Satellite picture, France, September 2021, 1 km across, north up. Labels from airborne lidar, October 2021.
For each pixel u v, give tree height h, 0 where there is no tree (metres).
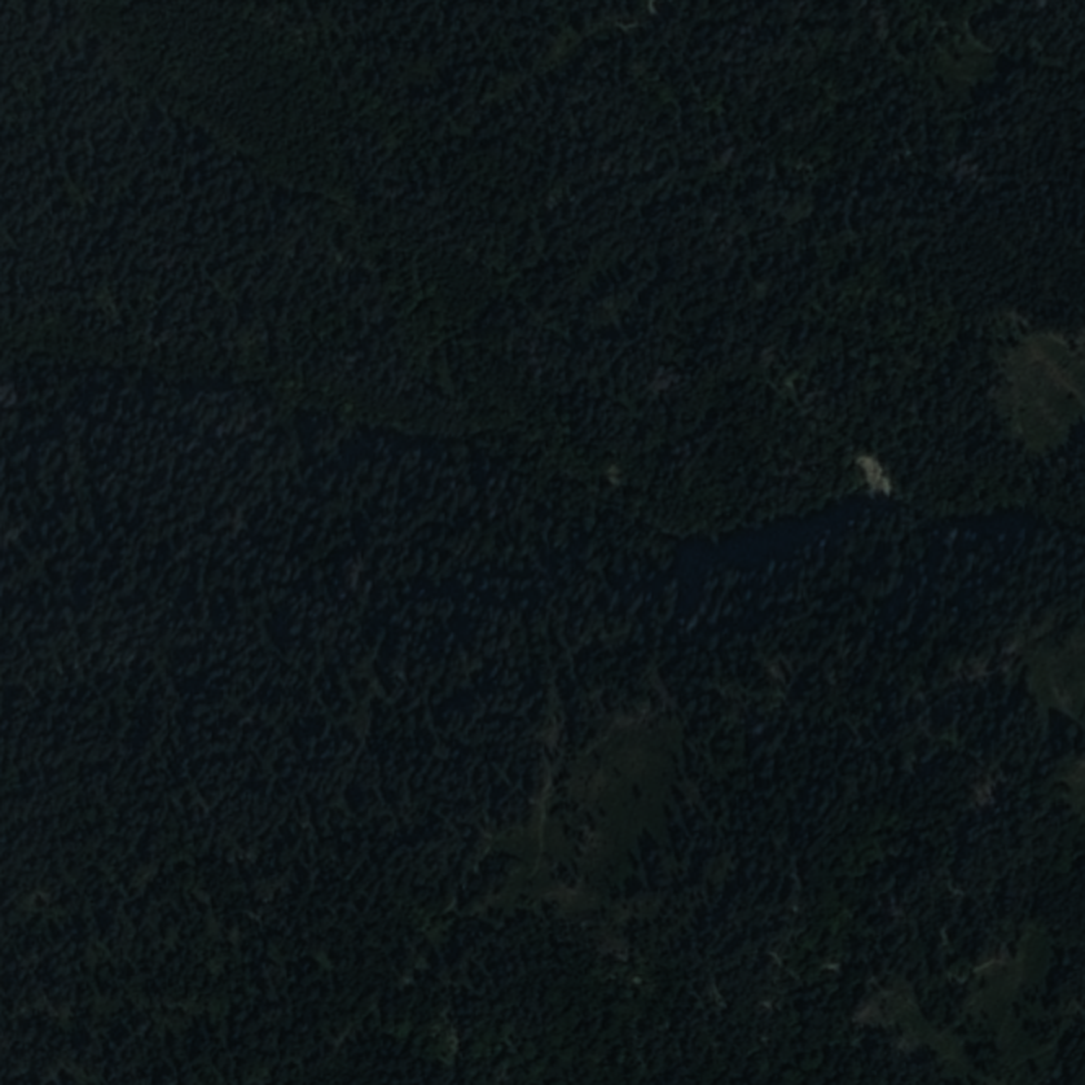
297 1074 20
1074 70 30
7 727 26
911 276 17
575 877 12
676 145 32
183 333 34
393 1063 17
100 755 34
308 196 10
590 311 28
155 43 6
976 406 34
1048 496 33
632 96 29
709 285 29
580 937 10
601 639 15
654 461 9
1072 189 30
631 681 17
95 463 11
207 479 36
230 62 16
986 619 32
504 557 15
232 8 18
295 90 15
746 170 29
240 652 26
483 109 30
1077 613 15
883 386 42
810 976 23
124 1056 29
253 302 37
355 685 34
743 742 11
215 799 35
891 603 11
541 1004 32
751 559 14
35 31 24
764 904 16
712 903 16
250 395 13
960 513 28
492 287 15
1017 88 35
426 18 28
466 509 32
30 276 25
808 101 15
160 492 35
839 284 16
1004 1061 28
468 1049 20
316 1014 26
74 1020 8
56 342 9
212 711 35
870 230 36
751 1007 30
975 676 20
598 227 33
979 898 30
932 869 33
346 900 22
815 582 23
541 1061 22
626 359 30
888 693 7
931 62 17
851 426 28
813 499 24
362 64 13
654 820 0
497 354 8
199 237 25
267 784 34
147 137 13
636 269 22
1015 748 33
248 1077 14
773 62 32
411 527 33
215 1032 10
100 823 31
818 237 18
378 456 30
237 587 27
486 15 30
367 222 9
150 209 27
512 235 19
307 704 38
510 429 6
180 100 14
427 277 15
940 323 19
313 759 17
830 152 10
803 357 28
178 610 13
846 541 28
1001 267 27
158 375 6
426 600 20
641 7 13
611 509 9
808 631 29
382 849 22
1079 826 23
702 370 16
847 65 19
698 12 34
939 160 32
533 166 21
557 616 26
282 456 32
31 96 10
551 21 29
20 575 29
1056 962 8
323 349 34
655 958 8
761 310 21
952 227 26
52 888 31
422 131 7
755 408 26
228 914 14
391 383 27
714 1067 26
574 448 14
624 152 28
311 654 32
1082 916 25
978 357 33
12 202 31
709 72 29
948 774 26
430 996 13
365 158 27
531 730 30
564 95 25
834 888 16
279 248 28
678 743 0
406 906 7
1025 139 27
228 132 8
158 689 34
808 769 12
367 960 15
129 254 33
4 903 30
